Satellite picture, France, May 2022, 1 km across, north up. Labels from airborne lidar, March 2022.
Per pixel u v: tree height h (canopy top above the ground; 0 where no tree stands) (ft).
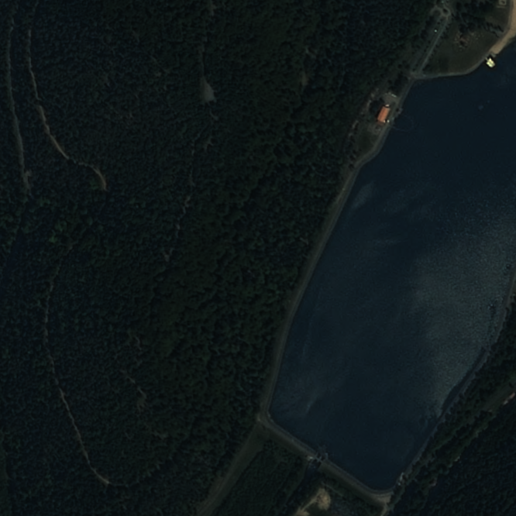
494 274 0
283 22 94
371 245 0
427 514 87
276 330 55
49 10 25
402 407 0
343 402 0
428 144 0
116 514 71
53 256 43
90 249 39
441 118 0
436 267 0
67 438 87
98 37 102
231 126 42
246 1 77
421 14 61
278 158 117
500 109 0
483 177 0
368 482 0
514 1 0
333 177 94
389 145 0
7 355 52
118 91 74
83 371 85
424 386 0
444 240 0
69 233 41
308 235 92
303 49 38
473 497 54
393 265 0
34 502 73
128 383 32
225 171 55
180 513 96
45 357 96
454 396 0
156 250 45
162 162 93
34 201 106
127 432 45
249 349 97
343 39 104
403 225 0
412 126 0
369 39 95
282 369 0
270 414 0
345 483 0
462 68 0
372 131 0
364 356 0
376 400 0
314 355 0
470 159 0
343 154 50
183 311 94
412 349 0
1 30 103
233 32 49
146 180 73
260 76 83
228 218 116
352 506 49
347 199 0
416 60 0
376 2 115
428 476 52
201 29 51
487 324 0
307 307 0
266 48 87
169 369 86
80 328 34
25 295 30
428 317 0
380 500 0
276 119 49
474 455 80
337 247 0
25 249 120
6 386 73
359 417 0
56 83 97
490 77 0
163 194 74
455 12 0
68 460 28
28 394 79
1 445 34
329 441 0
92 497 41
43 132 109
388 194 0
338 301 0
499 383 61
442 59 0
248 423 70
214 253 91
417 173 0
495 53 0
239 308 114
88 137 94
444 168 0
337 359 0
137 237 91
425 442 0
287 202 77
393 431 0
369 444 0
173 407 110
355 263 0
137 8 67
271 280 101
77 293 23
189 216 53
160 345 78
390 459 0
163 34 42
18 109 26
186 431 72
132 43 58
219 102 35
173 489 118
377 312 0
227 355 120
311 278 0
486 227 0
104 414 25
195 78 42
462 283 0
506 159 0
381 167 0
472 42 0
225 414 60
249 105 37
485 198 0
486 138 0
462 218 0
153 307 71
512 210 0
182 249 51
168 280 77
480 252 0
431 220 0
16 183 102
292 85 84
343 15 35
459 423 57
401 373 0
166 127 65
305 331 0
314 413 0
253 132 57
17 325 30
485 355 0
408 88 0
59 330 95
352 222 0
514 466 68
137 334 47
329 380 0
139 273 77
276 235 75
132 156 79
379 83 45
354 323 0
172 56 45
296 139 113
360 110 25
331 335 0
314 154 90
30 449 83
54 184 100
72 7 64
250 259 56
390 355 0
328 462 0
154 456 37
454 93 0
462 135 0
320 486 44
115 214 92
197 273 73
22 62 90
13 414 113
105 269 43
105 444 39
